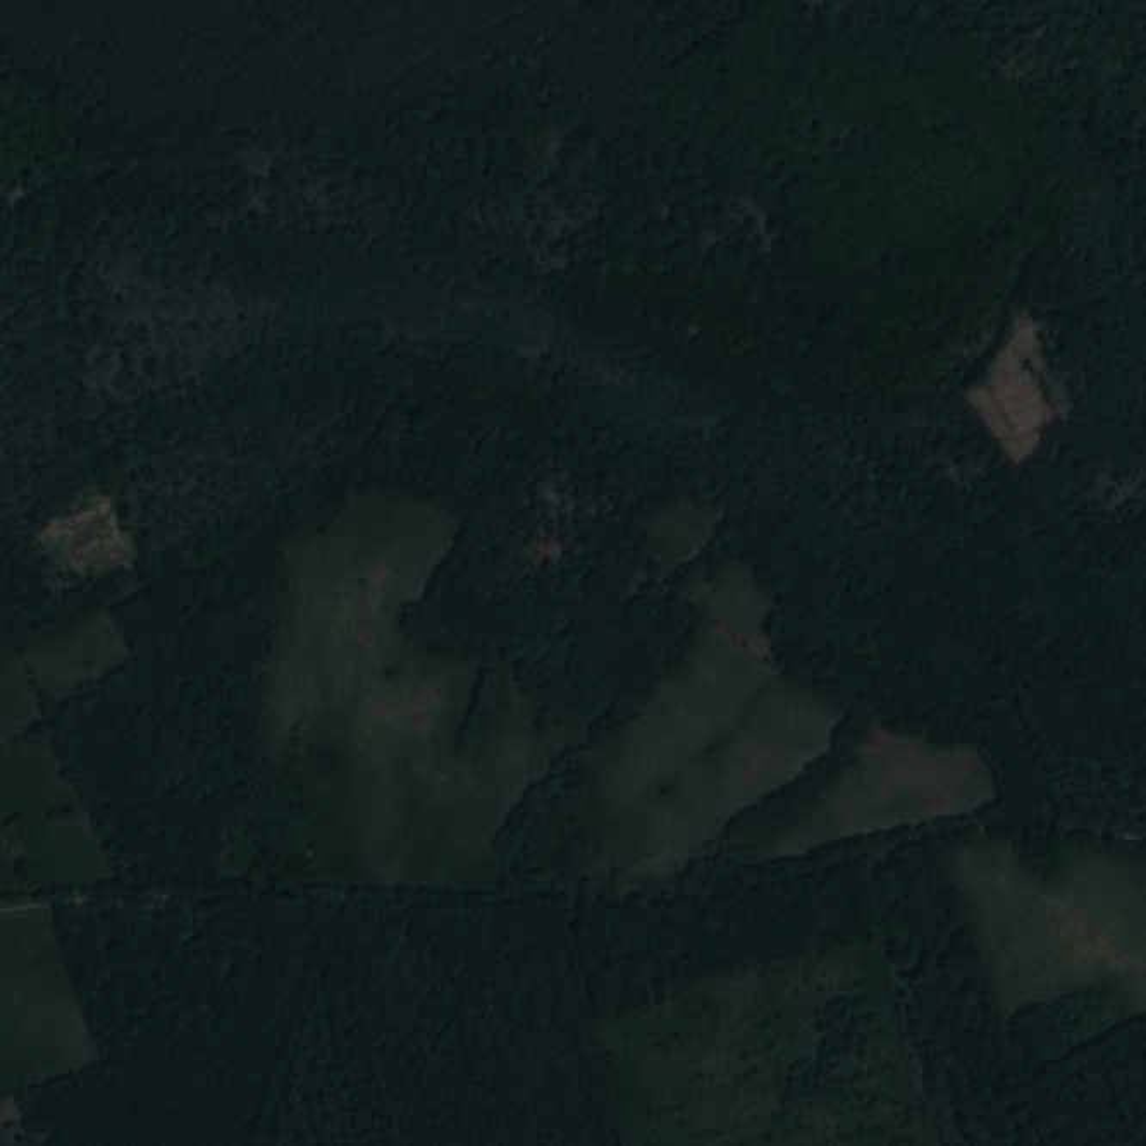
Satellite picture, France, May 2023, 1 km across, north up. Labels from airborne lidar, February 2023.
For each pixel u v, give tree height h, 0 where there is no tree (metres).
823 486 11
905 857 20
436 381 20
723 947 16
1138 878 0
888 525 12
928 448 13
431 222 18
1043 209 24
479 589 12
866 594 12
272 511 16
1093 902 0
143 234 11
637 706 10
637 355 11
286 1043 18
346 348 19
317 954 16
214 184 16
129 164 17
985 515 13
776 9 19
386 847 0
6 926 0
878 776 0
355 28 14
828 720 0
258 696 13
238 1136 14
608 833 0
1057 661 16
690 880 10
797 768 0
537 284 13
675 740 0
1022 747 19
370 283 11
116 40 13
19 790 0
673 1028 0
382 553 0
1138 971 0
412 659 0
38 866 0
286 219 21
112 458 20
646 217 12
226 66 14
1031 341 0
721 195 11
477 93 14
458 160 6
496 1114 14
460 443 14
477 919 17
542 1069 17
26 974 0
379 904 10
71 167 17
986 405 0
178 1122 16
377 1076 16
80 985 10
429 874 0
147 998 15
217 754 12
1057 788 29
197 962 14
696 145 17
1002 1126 20
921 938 22
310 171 15
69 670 0
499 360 15
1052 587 18
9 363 23
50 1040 0
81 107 17
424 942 18
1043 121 19
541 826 9
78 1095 16
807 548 11
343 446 16
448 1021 16
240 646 12
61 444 26
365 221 16
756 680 0
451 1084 16
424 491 13
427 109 11
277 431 17
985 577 12
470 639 13
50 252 18
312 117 15
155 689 11
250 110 12
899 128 18
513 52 14
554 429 16
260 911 17
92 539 0
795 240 14
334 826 0
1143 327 17
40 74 15
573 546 14
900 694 18
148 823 11
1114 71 18
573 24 14
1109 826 31
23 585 17
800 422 16
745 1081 6
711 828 0
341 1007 12
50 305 12
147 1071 15
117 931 16
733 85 22
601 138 14
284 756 0
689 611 9
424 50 14
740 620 0
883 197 15
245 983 14
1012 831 11
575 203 19
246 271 16
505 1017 17
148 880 14
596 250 16
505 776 0
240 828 9
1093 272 14
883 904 21
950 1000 22
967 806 0
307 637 0
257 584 15
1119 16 16
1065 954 0
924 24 21
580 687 12
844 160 14
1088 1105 23
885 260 11
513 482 12
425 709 0
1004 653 14
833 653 15
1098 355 20
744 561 13
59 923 13
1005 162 14
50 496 25
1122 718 6
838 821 0
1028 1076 16
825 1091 13
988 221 12
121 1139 16
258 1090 14
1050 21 18
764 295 17
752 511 13
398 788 0
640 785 0
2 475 22
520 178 12
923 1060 13
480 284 12
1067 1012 10
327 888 6
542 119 17
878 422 11
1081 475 13
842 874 18
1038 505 17
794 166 12
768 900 17
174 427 16
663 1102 0
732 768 0
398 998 19
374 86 13
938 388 7
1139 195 15
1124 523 15
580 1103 14
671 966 15
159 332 11
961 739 14
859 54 13
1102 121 15
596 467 15
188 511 14
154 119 16
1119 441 14
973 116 16
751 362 6
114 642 0
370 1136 15
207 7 15
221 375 12
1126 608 12
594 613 12
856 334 21
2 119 21
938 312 21
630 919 16
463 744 11
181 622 11
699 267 18
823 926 18
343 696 0
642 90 12
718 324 8
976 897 0
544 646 10
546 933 14
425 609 10
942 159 15
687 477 14
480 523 11
